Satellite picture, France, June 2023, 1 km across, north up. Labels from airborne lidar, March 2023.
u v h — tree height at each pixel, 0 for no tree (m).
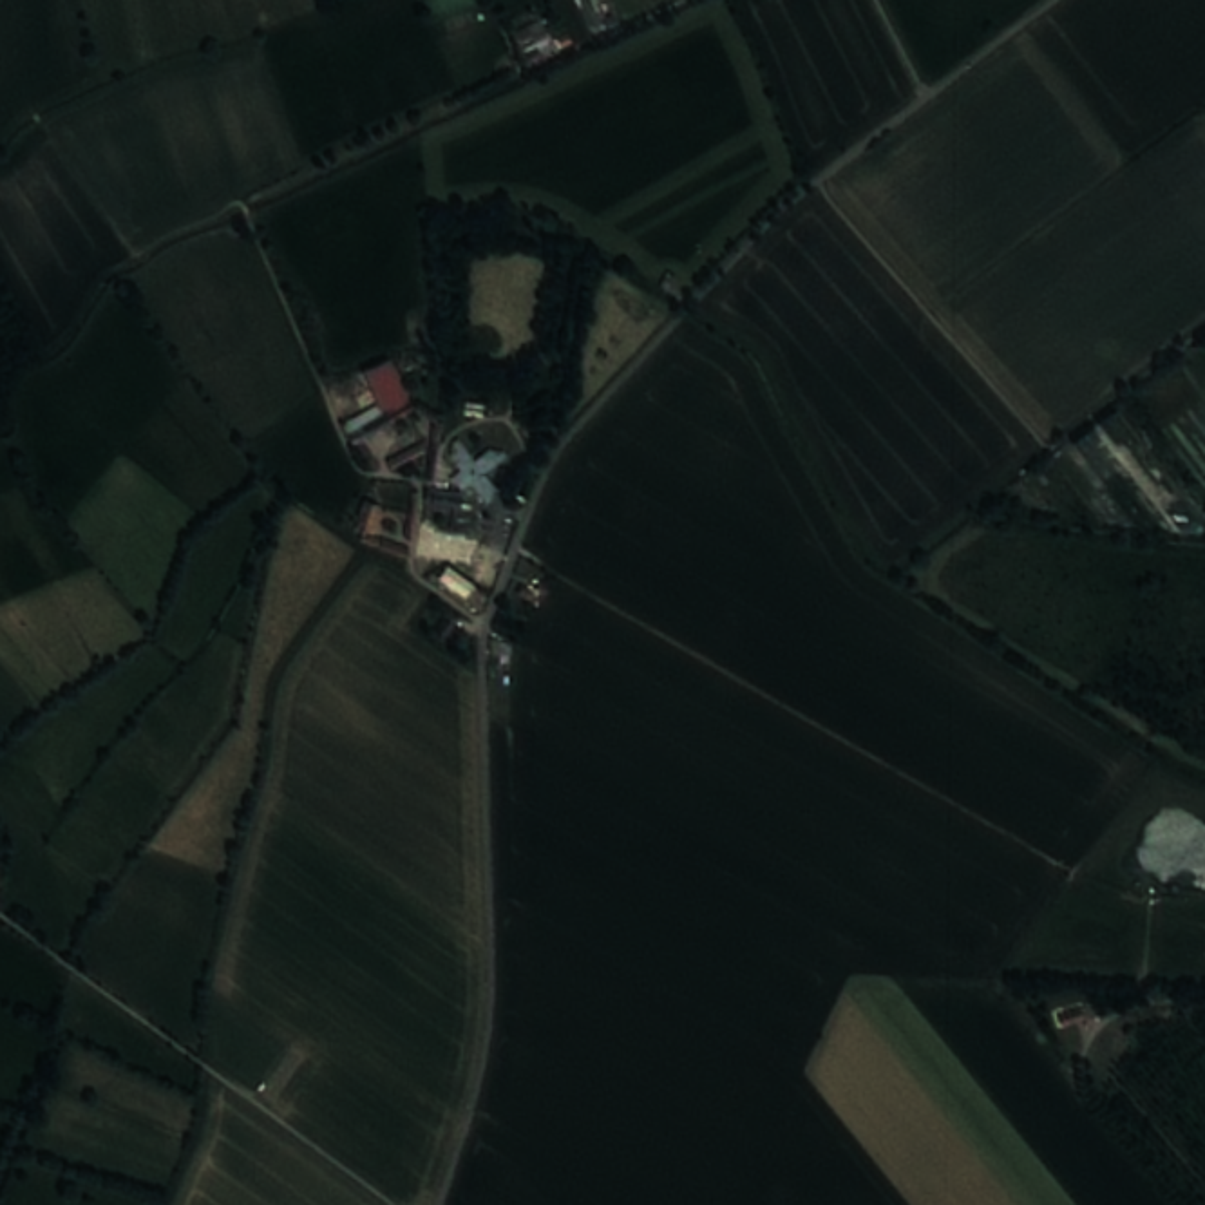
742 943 0
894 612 0
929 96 0
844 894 0
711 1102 0
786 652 0
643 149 0
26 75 0
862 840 0
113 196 0
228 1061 0
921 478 0
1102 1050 0
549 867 0
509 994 0
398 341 0
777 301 0
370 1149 0
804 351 0
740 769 0
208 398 12
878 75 0
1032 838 0
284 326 0
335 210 0
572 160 0
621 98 0
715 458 0
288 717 0
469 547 0
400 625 0
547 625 0
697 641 0
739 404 0
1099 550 0
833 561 0
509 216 24
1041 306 0
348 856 0
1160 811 0
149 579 0
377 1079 0
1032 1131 0
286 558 0
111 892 11
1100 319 0
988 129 0
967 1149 0
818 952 0
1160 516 0
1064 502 0
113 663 12
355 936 0
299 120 0
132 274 0
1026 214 0
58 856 0
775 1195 0
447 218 24
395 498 0
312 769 0
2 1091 0
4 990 0
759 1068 0
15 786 0
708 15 0
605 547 0
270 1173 0
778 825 0
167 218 0
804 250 0
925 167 0
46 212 0
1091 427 10
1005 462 0
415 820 0
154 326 14
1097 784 0
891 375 0
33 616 0
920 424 0
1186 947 0
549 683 0
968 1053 0
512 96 0
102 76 0
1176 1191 9
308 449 0
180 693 0
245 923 0
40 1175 0
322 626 0
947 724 0
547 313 17
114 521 0
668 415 0
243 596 0
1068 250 0
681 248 0
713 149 0
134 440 0
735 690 0
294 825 0
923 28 0
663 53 0
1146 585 11
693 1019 0
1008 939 0
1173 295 0
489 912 0
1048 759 0
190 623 0
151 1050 0
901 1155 0
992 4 0
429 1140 0
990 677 0
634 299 0
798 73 0
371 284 0
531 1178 0
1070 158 0
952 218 0
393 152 0
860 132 0
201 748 0
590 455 0
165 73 0
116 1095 0
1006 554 0
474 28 0
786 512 0
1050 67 0
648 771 0
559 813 0
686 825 0
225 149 0
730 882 0
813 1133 0
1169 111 0
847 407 0
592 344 0
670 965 0
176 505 0
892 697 0
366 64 0
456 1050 0
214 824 0
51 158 0
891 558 0
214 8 0
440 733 0
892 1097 0
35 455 0
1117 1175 0
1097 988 11
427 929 0
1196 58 0
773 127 0
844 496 0
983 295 0
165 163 0
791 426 0
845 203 0
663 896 0
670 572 0
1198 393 0
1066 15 0
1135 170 0
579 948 0
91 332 0
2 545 0
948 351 0
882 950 0
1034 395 0
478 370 23
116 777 0
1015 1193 0
